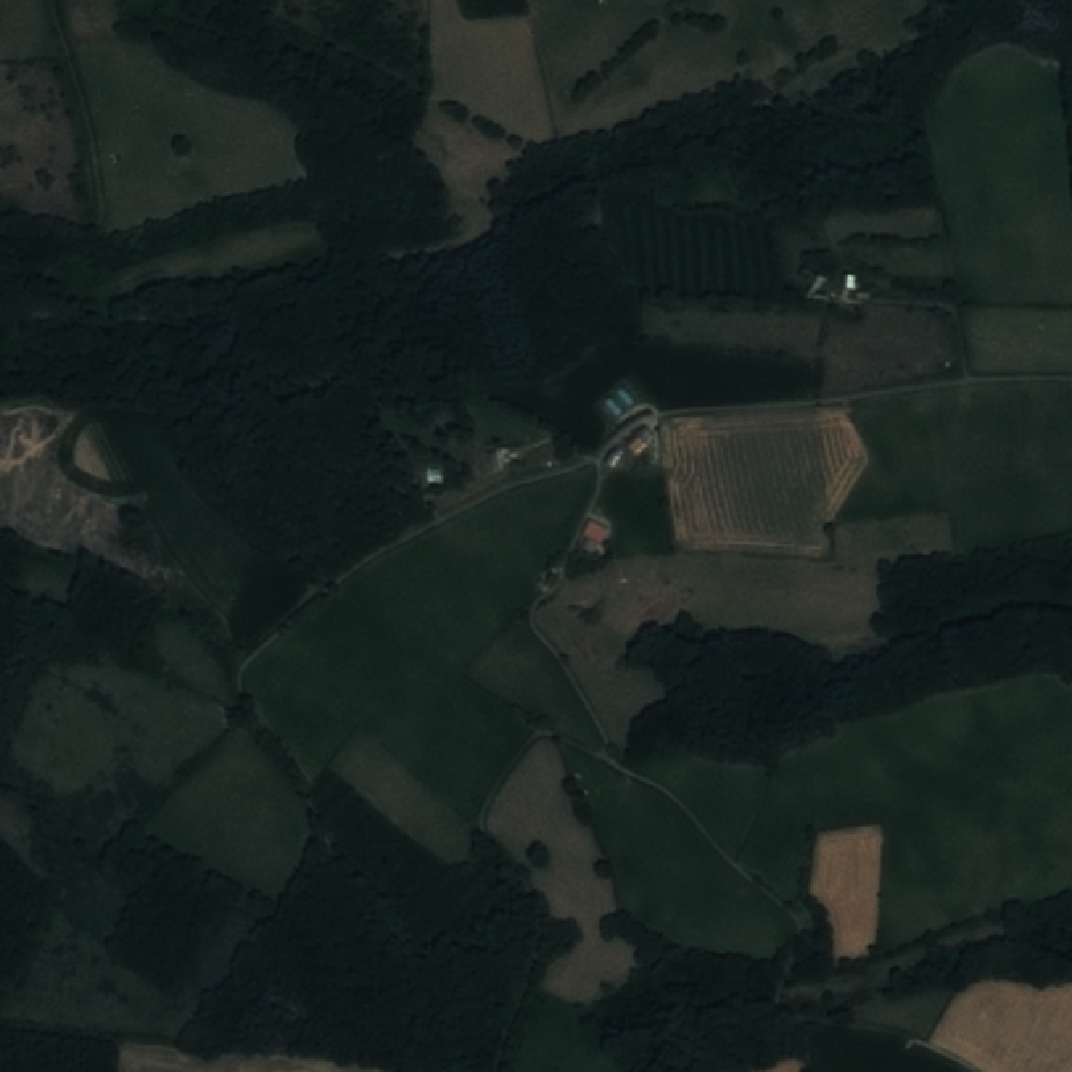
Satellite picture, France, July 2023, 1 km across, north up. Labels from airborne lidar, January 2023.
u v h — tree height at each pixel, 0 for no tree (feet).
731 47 0
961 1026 0
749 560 0
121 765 0
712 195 0
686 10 20
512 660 0
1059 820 0
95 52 0
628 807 0
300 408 81
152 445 0
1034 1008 0
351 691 0
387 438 58
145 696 0
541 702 0
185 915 49
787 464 0
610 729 0
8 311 102
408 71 22
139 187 0
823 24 0
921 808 0
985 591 72
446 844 0
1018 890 0
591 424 0
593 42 0
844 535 0
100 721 0
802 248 0
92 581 65
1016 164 0
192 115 0
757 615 0
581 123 0
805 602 0
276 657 0
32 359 41
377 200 73
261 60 63
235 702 0
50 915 0
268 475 72
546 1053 0
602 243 92
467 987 67
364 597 0
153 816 0
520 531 0
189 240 19
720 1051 92
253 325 87
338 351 86
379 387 72
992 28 62
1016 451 0
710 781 0
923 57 85
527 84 0
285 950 57
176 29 26
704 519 0
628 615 0
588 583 0
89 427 0
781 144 20
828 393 0
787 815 0
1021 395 0
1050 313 0
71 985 0
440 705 0
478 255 75
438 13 0
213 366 30
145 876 51
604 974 0
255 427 85
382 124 63
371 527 58
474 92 0
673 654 81
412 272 78
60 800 0
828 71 0
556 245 86
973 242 0
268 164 0
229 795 0
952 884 0
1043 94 0
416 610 0
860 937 0
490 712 0
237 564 0
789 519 0
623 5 0
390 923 57
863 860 0
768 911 0
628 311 74
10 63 24
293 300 88
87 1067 41
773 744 87
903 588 72
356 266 64
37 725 0
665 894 0
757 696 84
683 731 71
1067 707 0
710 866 0
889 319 0
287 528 76
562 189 20
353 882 64
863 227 0
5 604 70
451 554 0
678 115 62
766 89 82
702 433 0
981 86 0
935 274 0
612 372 0
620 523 0
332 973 50
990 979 54
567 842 0
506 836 0
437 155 0
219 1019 55
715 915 0
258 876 0
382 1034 49
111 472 0
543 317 76
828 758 0
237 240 0
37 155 0
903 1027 0
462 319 65
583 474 0
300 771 73
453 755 0
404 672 0
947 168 0
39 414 90
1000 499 0
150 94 0
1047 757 0
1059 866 0
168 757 0
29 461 0
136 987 0
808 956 52
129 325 38
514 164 44
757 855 0
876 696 75
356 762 0
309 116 68
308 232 0
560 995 0
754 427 0
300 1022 46
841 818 0
